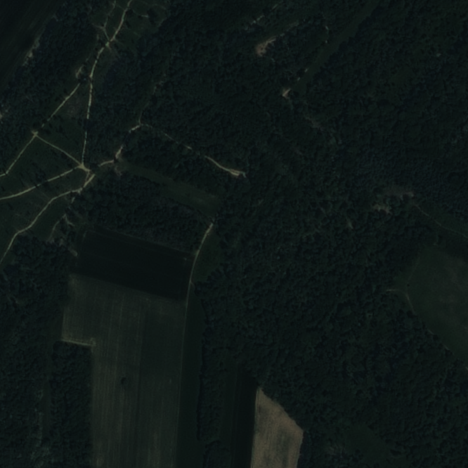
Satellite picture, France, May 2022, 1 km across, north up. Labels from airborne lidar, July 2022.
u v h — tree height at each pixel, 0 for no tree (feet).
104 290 0
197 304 0
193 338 0
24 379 85
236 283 103
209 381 78
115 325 0
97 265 0
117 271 0
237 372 0
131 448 0
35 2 0
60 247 91
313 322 104
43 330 81
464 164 85
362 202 98
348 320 109
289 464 0
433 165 96
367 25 80
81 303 0
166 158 97
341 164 90
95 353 0
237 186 93
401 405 62
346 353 120
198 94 63
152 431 0
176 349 0
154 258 0
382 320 73
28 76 63
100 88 0
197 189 54
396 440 69
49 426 0
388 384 97
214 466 84
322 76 72
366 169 109
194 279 0
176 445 0
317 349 106
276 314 88
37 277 77
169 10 24
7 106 83
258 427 0
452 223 38
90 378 62
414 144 108
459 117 103
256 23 81
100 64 59
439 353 57
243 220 89
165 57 91
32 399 78
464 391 104
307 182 86
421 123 98
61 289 69
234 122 62
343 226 86
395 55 94
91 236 0
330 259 61
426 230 93
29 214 37
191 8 98
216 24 60
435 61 73
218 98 58
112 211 85
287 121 98
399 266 85
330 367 100
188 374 0
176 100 94
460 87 104
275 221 91
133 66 88
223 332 96
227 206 67
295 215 83
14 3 0
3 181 0
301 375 90
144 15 0
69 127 0
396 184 107
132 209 84
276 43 32
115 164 89
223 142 68
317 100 29
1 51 0
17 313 96
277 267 54
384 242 25
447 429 95
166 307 0
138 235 66
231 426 0
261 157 101
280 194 80
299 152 25
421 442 100
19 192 0
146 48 99
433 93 93
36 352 86
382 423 77
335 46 0
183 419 0
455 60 62
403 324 113
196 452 0
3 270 0
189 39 87
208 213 0
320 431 94
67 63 88
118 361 0
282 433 0
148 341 0
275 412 0
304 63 79
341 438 100
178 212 66
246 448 0
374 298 104
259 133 67
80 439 83
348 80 73
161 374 0
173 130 40
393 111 95
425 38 52
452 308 0
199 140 79
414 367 78
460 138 88
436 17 65
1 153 107
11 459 68
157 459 0
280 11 26
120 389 0
